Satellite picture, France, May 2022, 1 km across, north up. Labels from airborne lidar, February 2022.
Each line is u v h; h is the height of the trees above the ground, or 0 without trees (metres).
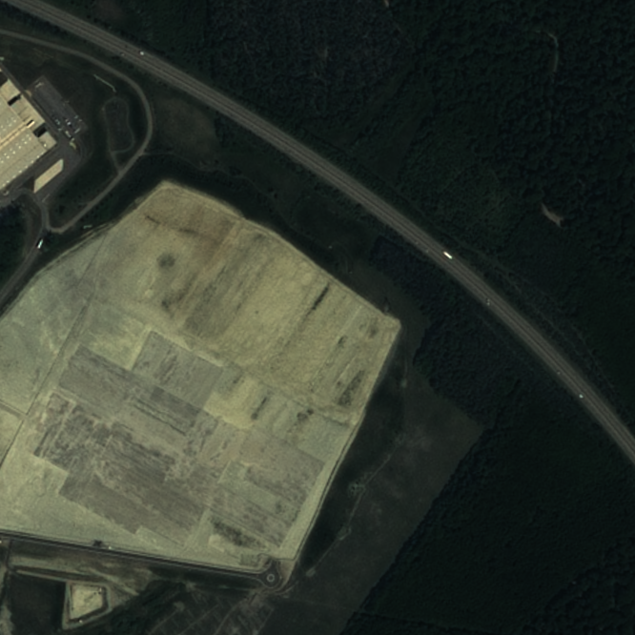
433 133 9
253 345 0
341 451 0
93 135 0
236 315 0
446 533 20
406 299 0
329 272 0
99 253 0
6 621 0
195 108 0
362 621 10
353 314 0
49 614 0
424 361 13
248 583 0
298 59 13
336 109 26
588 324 14
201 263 0
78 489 0
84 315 0
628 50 26
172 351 0
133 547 0
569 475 16
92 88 0
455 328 20
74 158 0
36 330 0
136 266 0
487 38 26
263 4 20
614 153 28
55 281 0
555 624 28
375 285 0
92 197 0
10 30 0
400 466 0
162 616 0
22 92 0
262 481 0
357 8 26
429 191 8
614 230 26
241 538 0
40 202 0
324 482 0
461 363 22
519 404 19
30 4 0
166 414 0
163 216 0
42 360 0
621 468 11
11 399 0
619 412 10
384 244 19
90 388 0
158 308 0
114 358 0
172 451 0
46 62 0
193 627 0
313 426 0
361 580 0
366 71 27
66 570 0
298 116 17
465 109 19
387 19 25
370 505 0
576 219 23
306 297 0
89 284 0
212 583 0
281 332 0
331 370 0
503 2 25
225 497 0
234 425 0
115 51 0
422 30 24
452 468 0
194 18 6
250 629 0
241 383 0
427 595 12
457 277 0
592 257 19
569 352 10
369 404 0
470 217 7
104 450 0
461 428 0
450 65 22
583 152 27
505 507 16
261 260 0
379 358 0
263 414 0
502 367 16
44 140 0
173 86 0
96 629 0
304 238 0
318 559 0
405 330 0
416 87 12
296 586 0
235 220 0
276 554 0
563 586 16
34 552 0
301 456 0
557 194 25
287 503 0
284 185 0
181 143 0
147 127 0
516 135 25
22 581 0
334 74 26
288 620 0
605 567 21
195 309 0
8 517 0
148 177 0
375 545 0
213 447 0
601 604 36
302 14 27
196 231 0
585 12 25
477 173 11
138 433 0
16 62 0
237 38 25
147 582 0
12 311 0
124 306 0
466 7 24
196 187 0
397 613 12
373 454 0
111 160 0
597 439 11
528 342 0
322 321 0
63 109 0
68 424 0
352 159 14
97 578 0
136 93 0
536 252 12
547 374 7
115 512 0
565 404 14
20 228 23
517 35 22
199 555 0
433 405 0
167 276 0
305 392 0
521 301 13
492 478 18
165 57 11
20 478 0
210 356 0
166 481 0
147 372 0
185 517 0
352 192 0
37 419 0
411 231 0
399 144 0
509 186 17
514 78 24
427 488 0
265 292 0
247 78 23
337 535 0
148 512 0
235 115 0
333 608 0
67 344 0
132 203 0
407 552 14
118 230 0
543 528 18
